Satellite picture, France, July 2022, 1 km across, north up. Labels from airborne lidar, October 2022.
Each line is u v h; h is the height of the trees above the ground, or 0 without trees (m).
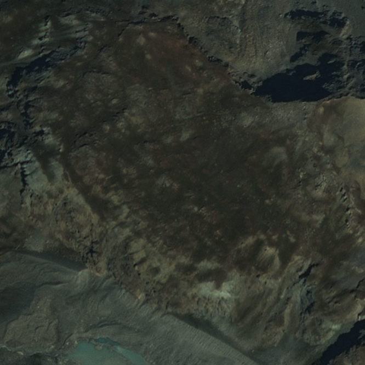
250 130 0
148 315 0
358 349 0
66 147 0
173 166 0
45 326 0
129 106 0
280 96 8
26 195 0
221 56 0
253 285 0
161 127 0
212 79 0
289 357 0
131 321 0
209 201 0
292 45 0
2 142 0
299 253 0
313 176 0
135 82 0
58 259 0
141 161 0
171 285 0
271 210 0
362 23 0
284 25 0
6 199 0
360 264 0
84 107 0
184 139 0
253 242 0
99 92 0
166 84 0
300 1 0
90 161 0
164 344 0
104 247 0
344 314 0
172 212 0
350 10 0
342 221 0
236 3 0
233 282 0
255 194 0
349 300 0
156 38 0
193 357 0
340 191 0
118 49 0
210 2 0
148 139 0
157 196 0
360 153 0
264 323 0
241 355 0
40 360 0
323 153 0
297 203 0
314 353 0
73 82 0
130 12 0
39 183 0
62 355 0
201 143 0
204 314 0
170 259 0
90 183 0
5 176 0
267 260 0
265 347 0
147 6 0
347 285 0
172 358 0
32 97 0
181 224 0
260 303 0
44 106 0
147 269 0
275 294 0
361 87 0
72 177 0
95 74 0
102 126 0
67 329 0
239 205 0
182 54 0
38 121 0
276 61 0
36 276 0
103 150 0
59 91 0
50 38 0
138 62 0
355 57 0
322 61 0
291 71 0
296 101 0
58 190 0
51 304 0
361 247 0
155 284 0
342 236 0
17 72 0
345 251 0
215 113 0
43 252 0
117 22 0
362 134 0
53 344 0
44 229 0
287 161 0
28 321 0
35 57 0
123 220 0
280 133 0
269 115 0
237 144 0
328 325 0
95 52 0
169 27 0
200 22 0
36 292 0
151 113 0
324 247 0
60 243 0
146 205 0
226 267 0
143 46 0
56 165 0
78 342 0
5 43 0
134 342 0
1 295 0
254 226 0
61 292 0
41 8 0
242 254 0
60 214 0
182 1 0
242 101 0
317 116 0
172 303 0
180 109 0
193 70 0
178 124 0
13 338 0
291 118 0
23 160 0
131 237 0
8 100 0
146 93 0
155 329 0
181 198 0
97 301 0
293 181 0
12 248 0
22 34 0
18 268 0
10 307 0
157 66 0
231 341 0
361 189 0
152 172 0
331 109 0
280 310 0
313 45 0
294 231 0
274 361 0
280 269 0
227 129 0
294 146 0
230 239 0
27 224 0
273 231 0
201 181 0
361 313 0
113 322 0
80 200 0
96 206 0
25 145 0
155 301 0
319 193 0
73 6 0
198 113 0
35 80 0
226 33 0
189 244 0
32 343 0
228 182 0
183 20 0
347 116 0
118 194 0
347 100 0
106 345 0
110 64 0
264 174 0
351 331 0
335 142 0
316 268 0
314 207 0
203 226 0
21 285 0
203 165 0
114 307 0
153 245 0
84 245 0
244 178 0
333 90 0
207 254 0
